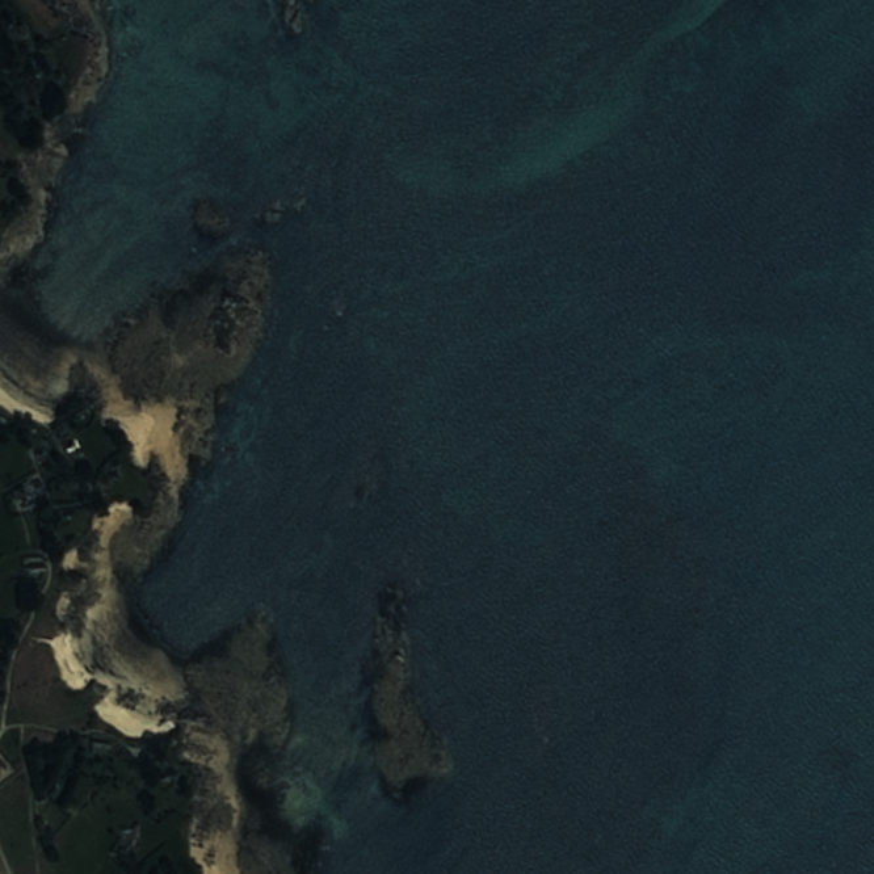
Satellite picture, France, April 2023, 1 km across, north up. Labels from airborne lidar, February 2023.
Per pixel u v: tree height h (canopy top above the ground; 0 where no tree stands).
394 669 0
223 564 0
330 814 0
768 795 0
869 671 0
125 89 0
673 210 0
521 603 0
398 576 0
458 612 0
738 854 0
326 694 0
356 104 0
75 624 0
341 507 0
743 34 0
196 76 0
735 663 0
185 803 0
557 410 0
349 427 0
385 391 0
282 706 0
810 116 0
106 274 0
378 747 0
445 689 0
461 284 0
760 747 0
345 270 0
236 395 0
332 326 0
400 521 0
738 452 0
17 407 0
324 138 0
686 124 0
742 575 0
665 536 0
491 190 0
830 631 0
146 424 0
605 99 0
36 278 0
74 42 0
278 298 0
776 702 0
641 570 0
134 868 16
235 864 0
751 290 0
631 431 0
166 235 0
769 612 0
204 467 0
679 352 0
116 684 0
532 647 0
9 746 0
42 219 0
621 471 0
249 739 0
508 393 0
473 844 0
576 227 0
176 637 0
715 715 0
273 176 0
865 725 0
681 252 0
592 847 0
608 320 0
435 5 0
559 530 0
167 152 0
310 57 0
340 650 0
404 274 0
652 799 0
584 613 0
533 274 0
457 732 0
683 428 0
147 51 0
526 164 0
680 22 0
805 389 0
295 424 0
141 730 0
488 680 0
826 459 0
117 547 0
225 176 0
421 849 0
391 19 0
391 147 0
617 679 0
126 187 0
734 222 0
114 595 0
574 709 0
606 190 0
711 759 0
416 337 0
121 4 0
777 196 0
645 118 0
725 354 0
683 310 0
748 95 0
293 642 0
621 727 0
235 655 0
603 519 0
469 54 0
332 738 0
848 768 0
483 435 0
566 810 0
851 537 0
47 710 0
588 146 0
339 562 0
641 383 0
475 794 0
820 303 0
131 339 0
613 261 0
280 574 0
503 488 0
